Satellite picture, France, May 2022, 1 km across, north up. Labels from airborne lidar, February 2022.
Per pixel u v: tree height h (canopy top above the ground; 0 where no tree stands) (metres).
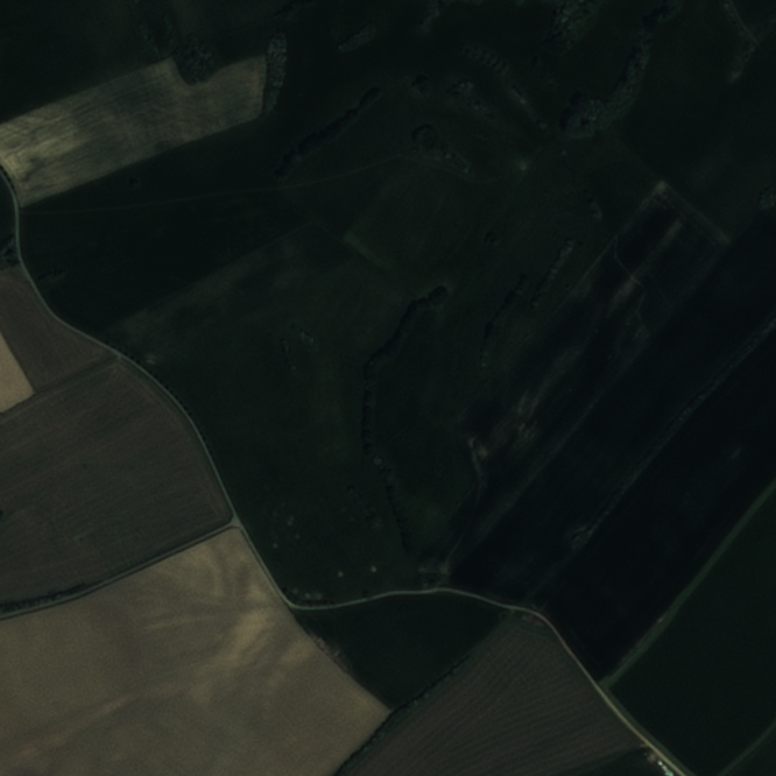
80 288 0
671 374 0
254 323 0
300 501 0
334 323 0
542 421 0
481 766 0
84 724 0
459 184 0
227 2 0
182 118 0
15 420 0
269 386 0
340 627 0
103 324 0
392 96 0
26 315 0
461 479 0
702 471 0
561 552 0
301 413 0
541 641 0
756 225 0
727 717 0
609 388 0
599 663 0
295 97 0
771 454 0
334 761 0
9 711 0
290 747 0
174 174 0
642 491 0
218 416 0
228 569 0
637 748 0
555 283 0
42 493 0
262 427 0
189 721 0
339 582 0
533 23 0
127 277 0
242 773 0
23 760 0
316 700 0
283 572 0
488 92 0
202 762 0
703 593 0
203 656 0
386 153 0
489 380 0
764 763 0
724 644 0
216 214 0
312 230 0
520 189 0
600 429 0
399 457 0
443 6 8
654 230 0
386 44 0
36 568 0
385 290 0
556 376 0
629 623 0
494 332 12
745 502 0
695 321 0
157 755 0
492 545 0
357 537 0
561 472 0
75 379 0
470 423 0
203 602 0
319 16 0
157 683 0
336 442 0
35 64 0
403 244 0
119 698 0
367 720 0
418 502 0
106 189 0
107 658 0
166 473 0
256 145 0
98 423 0
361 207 0
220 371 0
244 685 0
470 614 0
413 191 0
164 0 0
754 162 0
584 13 9
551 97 0
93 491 0
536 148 0
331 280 0
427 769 0
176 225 0
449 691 0
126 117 0
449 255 0
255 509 0
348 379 0
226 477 0
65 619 0
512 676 0
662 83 0
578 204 0
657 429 0
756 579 0
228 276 0
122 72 0
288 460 0
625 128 0
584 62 0
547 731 0
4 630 0
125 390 0
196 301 0
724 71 0
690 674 0
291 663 0
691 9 0
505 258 0
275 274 0
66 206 0
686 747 0
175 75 0
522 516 0
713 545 0
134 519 0
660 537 0
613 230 0
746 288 0
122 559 0
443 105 0
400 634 0
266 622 0
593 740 0
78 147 0
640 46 7
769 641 0
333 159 0
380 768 0
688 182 0
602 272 0
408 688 0
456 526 0
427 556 0
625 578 0
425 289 0
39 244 0
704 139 0
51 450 0
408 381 0
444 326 0
